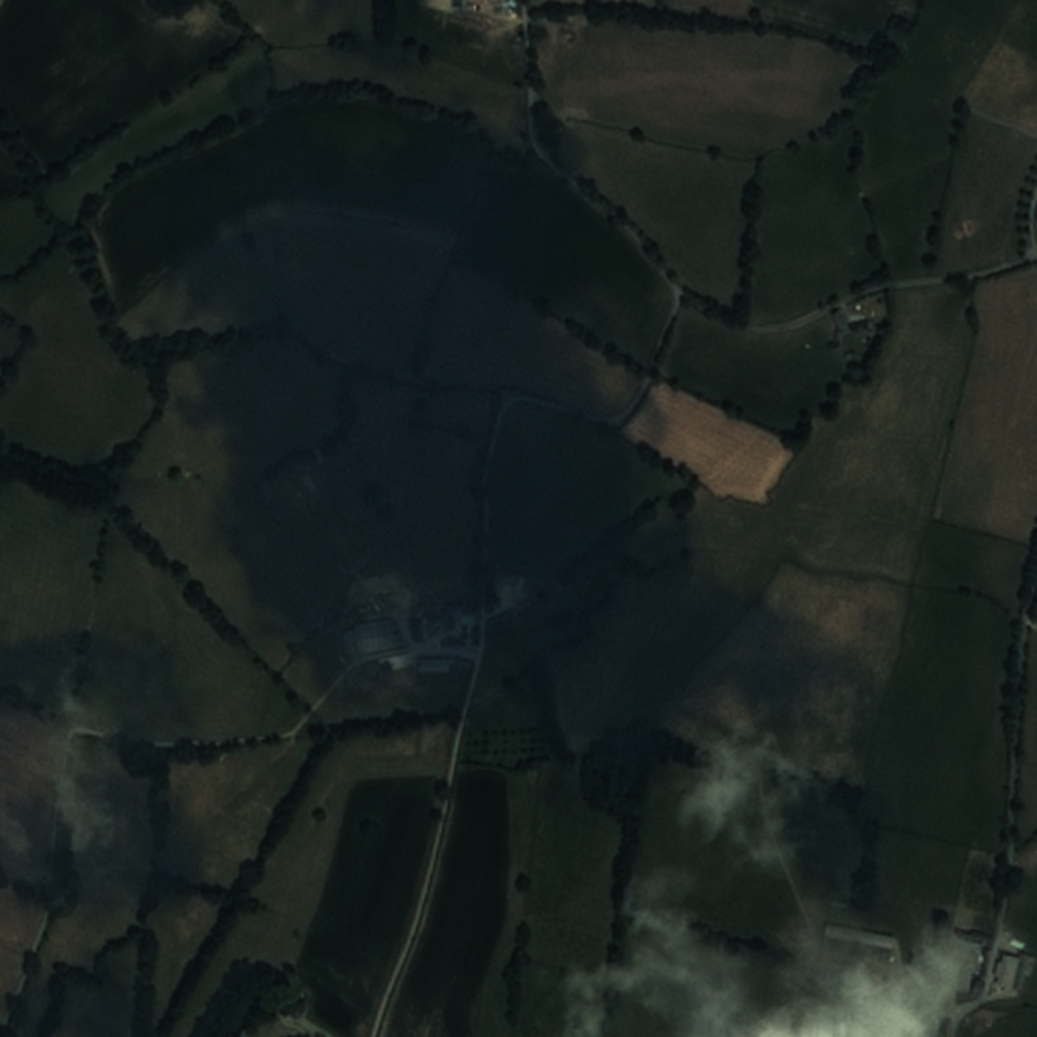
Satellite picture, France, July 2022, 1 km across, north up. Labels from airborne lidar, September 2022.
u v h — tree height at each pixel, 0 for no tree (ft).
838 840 0
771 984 0
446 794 45
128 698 0
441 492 0
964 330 0
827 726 0
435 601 0
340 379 24
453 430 27
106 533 30
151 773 48
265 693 0
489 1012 0
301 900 0
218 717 0
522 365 0
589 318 0
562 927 0
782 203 0
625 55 0
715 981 0
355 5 0
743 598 0
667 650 0
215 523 0
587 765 31
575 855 0
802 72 0
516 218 0
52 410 0
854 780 0
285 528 0
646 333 0
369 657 0
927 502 0
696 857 0
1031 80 0
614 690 0
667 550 0
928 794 0
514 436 0
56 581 0
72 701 31
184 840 0
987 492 0
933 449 0
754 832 0
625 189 0
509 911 0
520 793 0
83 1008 0
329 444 52
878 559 0
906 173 0
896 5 0
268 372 0
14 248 0
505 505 0
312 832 0
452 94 0
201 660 0
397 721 53
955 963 0
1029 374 0
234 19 47
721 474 0
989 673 0
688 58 0
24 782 0
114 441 0
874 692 0
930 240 44
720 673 0
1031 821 0
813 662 0
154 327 0
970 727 0
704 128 0
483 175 55
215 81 0
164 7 56
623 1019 0
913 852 0
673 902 0
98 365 0
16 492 0
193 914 0
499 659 0
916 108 0
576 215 0
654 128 0
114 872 0
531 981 0
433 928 0
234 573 0
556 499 0
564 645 24
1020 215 24
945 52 0
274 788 0
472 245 0
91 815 0
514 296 44
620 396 0
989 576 0
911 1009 35
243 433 0
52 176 52
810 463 0
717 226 0
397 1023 0
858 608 0
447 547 0
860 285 35
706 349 0
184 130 0
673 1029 0
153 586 0
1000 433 0
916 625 0
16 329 21
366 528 0
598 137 0
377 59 0
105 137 33
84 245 83
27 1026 0
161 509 0
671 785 0
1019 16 0
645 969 0
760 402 0
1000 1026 0
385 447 0
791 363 0
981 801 0
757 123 0
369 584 0
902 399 0
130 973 0
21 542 0
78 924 0
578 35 0
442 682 0
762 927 0
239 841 0
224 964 0
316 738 46
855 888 40
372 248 0
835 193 0
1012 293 0
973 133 0
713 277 0
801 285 0
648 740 63
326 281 0
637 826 37
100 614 0
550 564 0
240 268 0
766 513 0
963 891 0
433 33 0
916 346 0
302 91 37
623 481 0
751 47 0
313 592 0
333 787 0
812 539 0
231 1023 99
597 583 0
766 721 0
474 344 0
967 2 0
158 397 59
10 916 0
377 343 0
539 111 53
